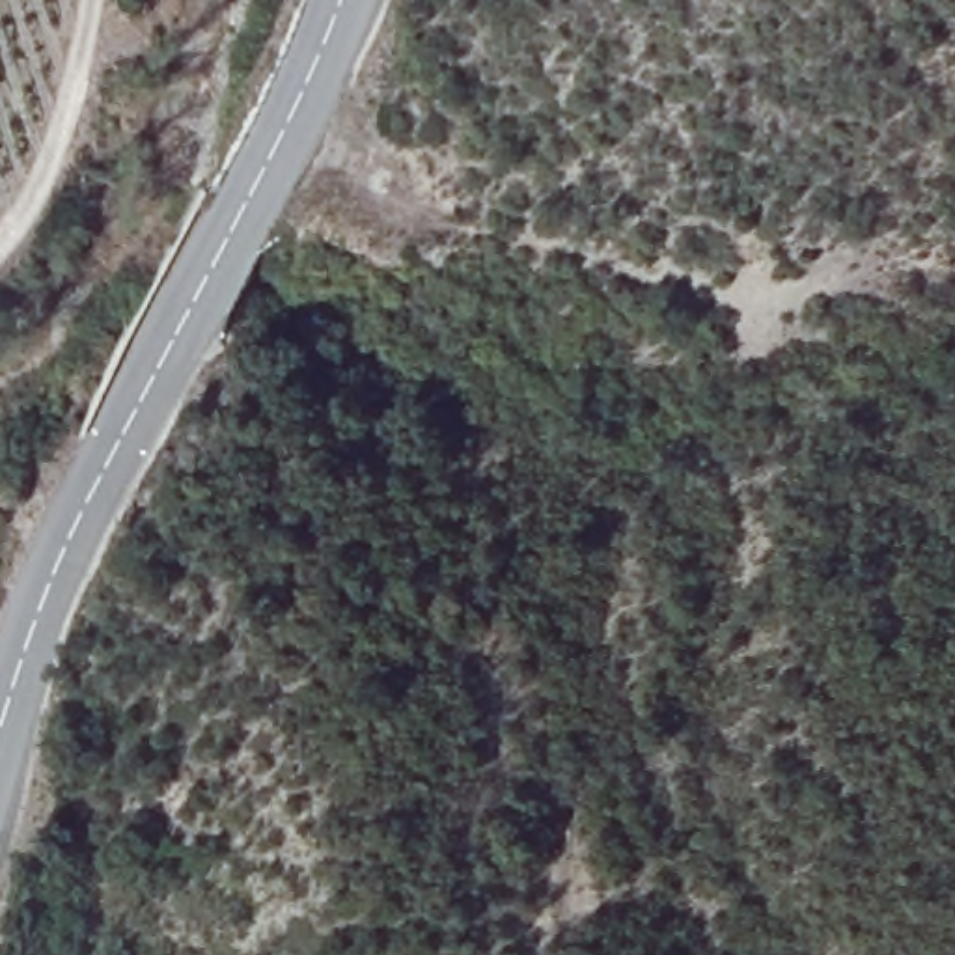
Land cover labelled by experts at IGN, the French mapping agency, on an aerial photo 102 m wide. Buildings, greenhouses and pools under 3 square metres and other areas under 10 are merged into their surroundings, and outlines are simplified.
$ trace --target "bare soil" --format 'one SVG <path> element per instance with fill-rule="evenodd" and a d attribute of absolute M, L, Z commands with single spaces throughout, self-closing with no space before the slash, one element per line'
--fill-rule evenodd
<path fill-rule="evenodd" d="M 209 112 L 190 116 L 183 123 L 201 142 L 198 164 L 190 172 L 190 194 L 205 198 L 205 190 L 224 183 L 231 160 L 224 157 L 213 153 L 213 142 L 231 63 L 216 56 L 213 75 L 201 78 L 201 97 L 209 101 Z"/>
<path fill-rule="evenodd" d="M 235 951 L 242 955 L 246 955 L 257 951 L 272 933 L 284 933 L 291 918 L 306 918 L 317 907 L 325 907 L 332 888 L 317 884 L 306 895 L 291 899 L 284 880 L 246 877 L 254 921 L 242 940 L 235 940 Z"/>
<path fill-rule="evenodd" d="M 556 925 L 578 921 L 597 910 L 589 843 L 567 832 L 563 854 L 548 865 L 548 880 L 567 884 L 567 895 L 563 903 L 548 903 L 537 914 L 537 955 L 541 955 L 556 936 Z"/>
<path fill-rule="evenodd" d="M 403 246 L 414 231 L 440 231 L 455 209 L 470 205 L 470 190 L 455 194 L 463 172 L 492 168 L 489 157 L 455 157 L 440 145 L 392 145 L 377 131 L 377 108 L 369 101 L 381 97 L 381 71 L 392 67 L 392 15 L 384 19 L 377 45 L 366 56 L 366 67 L 343 78 L 336 112 L 328 116 L 325 131 L 306 153 L 306 164 L 276 224 L 269 228 L 269 246 L 291 235 L 328 239 L 381 269 L 392 269 L 403 261 Z"/>
<path fill-rule="evenodd" d="M 567 250 L 586 257 L 586 269 L 604 261 L 616 272 L 634 276 L 642 284 L 660 284 L 675 276 L 690 280 L 694 287 L 709 284 L 709 272 L 698 265 L 660 257 L 657 265 L 638 265 L 627 261 L 612 242 L 541 235 L 537 213 L 526 209 L 522 231 L 511 246 L 533 250 L 537 272 L 545 272 L 552 250 Z"/>
<path fill-rule="evenodd" d="M 246 862 L 317 865 L 317 847 L 298 836 L 298 828 L 306 821 L 325 817 L 328 798 L 321 795 L 306 810 L 287 813 L 291 795 L 284 787 L 265 806 L 257 806 L 257 817 L 272 821 L 284 832 L 284 847 L 254 847 Z"/>
<path fill-rule="evenodd" d="M 735 242 L 742 254 L 742 272 L 731 287 L 713 295 L 720 306 L 739 310 L 739 358 L 761 358 L 791 339 L 828 339 L 824 325 L 806 325 L 802 306 L 813 295 L 858 291 L 884 298 L 895 276 L 903 272 L 925 272 L 929 280 L 955 276 L 955 265 L 944 257 L 944 246 L 910 246 L 907 235 L 880 231 L 865 242 L 843 242 L 836 254 L 817 257 L 810 272 L 798 280 L 772 280 L 768 242 L 754 231 L 742 231 Z"/>

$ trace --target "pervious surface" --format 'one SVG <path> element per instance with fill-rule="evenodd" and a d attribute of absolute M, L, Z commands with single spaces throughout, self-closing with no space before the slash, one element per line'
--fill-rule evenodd
<path fill-rule="evenodd" d="M 0 265 L 30 239 L 52 190 L 63 179 L 63 168 L 71 164 L 71 153 L 71 134 L 93 82 L 93 52 L 104 0 L 78 0 L 71 52 L 67 67 L 56 75 L 60 93 L 56 108 L 48 112 L 45 142 L 34 149 L 26 187 L 0 220 Z"/>

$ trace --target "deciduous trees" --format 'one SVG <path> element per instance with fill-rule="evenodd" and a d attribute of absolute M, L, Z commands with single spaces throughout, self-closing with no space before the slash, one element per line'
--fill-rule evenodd
<path fill-rule="evenodd" d="M 131 832 L 134 813 L 164 806 L 164 791 L 175 783 L 164 772 L 164 765 L 138 765 L 134 757 L 134 746 L 142 739 L 149 739 L 153 750 L 164 750 L 164 731 L 149 735 L 149 724 L 134 720 L 131 709 L 86 709 L 82 701 L 56 705 L 45 716 L 41 765 L 48 768 L 56 810 L 48 824 L 34 836 L 30 851 L 15 854 L 11 903 L 4 914 L 0 940 L 0 955 L 175 955 L 172 940 L 145 944 L 160 933 L 157 899 L 187 884 L 190 877 L 209 880 L 209 869 L 220 858 L 213 851 L 198 851 L 198 843 L 142 843 Z"/>
<path fill-rule="evenodd" d="M 310 522 L 336 504 L 336 481 L 351 481 L 358 470 L 366 470 L 369 492 L 381 492 L 388 485 L 388 463 L 418 466 L 422 478 L 436 478 L 440 444 L 422 429 L 422 381 L 384 369 L 377 354 L 362 354 L 354 343 L 351 313 L 339 313 L 332 302 L 287 306 L 284 313 L 276 313 L 265 325 L 265 351 L 231 354 L 224 347 L 224 351 L 231 362 L 216 381 L 242 392 L 239 425 L 257 425 L 257 444 L 216 444 L 201 466 L 209 470 L 209 481 L 201 485 L 201 511 L 179 511 L 179 526 L 172 526 L 172 533 L 149 541 L 153 556 L 183 563 L 183 586 L 194 586 L 198 601 L 213 593 L 213 582 L 228 574 L 228 567 L 235 567 L 246 578 L 246 586 L 298 582 L 306 563 L 298 552 L 313 552 L 317 533 Z"/>

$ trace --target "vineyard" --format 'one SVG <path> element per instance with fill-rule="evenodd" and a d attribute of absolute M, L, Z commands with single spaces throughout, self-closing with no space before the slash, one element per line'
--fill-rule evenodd
<path fill-rule="evenodd" d="M 52 325 L 30 351 L 11 343 L 0 354 L 0 388 L 45 366 L 63 347 L 67 325 Z"/>
<path fill-rule="evenodd" d="M 78 0 L 0 0 L 0 220 L 26 187 L 34 149 L 45 142 L 48 112 L 56 108 L 60 93 L 56 75 L 67 67 L 71 52 Z"/>
<path fill-rule="evenodd" d="M 26 500 L 19 492 L 0 492 L 0 608 L 7 597 L 7 571 L 22 548 L 15 515 Z"/>

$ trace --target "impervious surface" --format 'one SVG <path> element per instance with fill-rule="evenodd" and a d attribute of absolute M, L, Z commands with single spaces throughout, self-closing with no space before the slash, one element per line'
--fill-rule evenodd
<path fill-rule="evenodd" d="M 190 194 L 183 220 L 175 228 L 175 242 L 164 246 L 153 272 L 142 306 L 134 306 L 101 369 L 82 429 L 71 433 L 48 463 L 41 463 L 37 492 L 26 500 L 15 515 L 22 548 L 7 571 L 7 597 L 0 608 L 0 828 L 15 783 L 34 787 L 41 765 L 45 716 L 56 705 L 45 668 L 60 664 L 60 645 L 75 627 L 78 604 L 93 586 L 112 537 L 119 533 L 134 504 L 142 478 L 168 444 L 183 407 L 201 399 L 205 369 L 224 351 L 224 347 L 224 321 L 242 284 L 250 280 L 257 254 L 265 254 L 269 246 L 269 228 L 276 224 L 306 164 L 306 153 L 325 131 L 328 116 L 336 112 L 343 78 L 366 67 L 366 56 L 377 45 L 384 19 L 392 15 L 392 0 L 306 0 L 302 7 L 287 11 L 287 26 L 276 37 L 276 63 L 261 78 L 257 97 L 246 108 L 224 157 L 231 160 L 224 183 L 205 190 L 205 198 Z"/>

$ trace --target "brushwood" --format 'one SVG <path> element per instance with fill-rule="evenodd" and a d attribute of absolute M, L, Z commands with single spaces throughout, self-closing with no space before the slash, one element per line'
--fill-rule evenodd
<path fill-rule="evenodd" d="M 325 907 L 317 907 L 306 918 L 291 918 L 284 933 L 272 933 L 257 951 L 246 955 L 537 955 L 537 914 L 548 903 L 563 903 L 567 895 L 567 884 L 548 880 L 548 865 L 563 854 L 567 832 L 589 843 L 597 910 L 578 921 L 556 925 L 556 936 L 541 955 L 955 955 L 955 276 L 929 280 L 925 272 L 903 272 L 895 276 L 884 298 L 858 291 L 813 295 L 802 306 L 806 325 L 824 325 L 828 339 L 791 339 L 761 358 L 739 358 L 739 310 L 720 306 L 713 295 L 731 287 L 742 272 L 742 254 L 735 242 L 742 231 L 754 231 L 768 242 L 772 280 L 798 280 L 810 272 L 817 257 L 836 254 L 843 242 L 865 242 L 880 231 L 907 235 L 910 246 L 944 246 L 944 257 L 955 265 L 955 0 L 392 0 L 392 15 L 392 67 L 381 71 L 381 97 L 369 101 L 377 108 L 377 131 L 392 145 L 440 145 L 455 157 L 489 157 L 492 168 L 463 172 L 455 194 L 470 190 L 470 205 L 455 209 L 440 231 L 414 231 L 403 246 L 403 261 L 392 269 L 381 269 L 328 239 L 291 235 L 269 246 L 265 254 L 257 254 L 250 280 L 242 284 L 224 321 L 224 347 L 231 354 L 265 351 L 265 325 L 276 313 L 284 313 L 287 306 L 332 302 L 339 313 L 351 313 L 354 343 L 362 354 L 377 354 L 384 369 L 422 381 L 422 429 L 440 444 L 436 478 L 422 478 L 418 466 L 388 463 L 388 485 L 381 492 L 369 492 L 366 470 L 358 470 L 351 481 L 336 481 L 336 504 L 310 522 L 317 533 L 313 552 L 298 552 L 306 563 L 298 582 L 246 586 L 246 578 L 235 567 L 228 567 L 228 574 L 213 582 L 213 593 L 198 601 L 194 586 L 183 586 L 183 563 L 153 556 L 149 541 L 172 533 L 172 526 L 179 526 L 179 511 L 201 511 L 201 485 L 209 481 L 209 470 L 201 466 L 216 444 L 257 444 L 257 425 L 239 425 L 242 392 L 216 381 L 231 362 L 224 351 L 205 369 L 201 399 L 183 407 L 168 444 L 142 478 L 134 504 L 119 533 L 112 537 L 93 586 L 78 604 L 75 627 L 60 645 L 60 664 L 45 668 L 56 705 L 82 701 L 86 709 L 131 709 L 134 720 L 149 724 L 149 735 L 164 731 L 164 750 L 153 750 L 149 739 L 142 739 L 134 746 L 134 757 L 138 765 L 164 765 L 164 772 L 175 783 L 164 791 L 164 806 L 134 813 L 131 832 L 142 843 L 198 843 L 198 851 L 213 851 L 220 858 L 209 869 L 209 880 L 190 877 L 187 884 L 157 899 L 160 933 L 145 944 L 172 940 L 175 955 L 242 955 L 235 951 L 235 940 L 242 940 L 254 921 L 246 877 L 284 880 L 291 899 L 306 895 L 317 884 L 332 888 Z M 660 284 L 642 284 L 634 276 L 616 272 L 604 261 L 586 269 L 586 257 L 567 250 L 552 250 L 545 272 L 537 272 L 533 250 L 511 246 L 522 231 L 526 209 L 537 213 L 541 235 L 612 242 L 627 261 L 638 265 L 657 265 L 660 257 L 698 265 L 709 272 L 709 284 L 694 287 L 690 280 L 675 276 Z M 284 847 L 284 832 L 272 821 L 257 817 L 257 806 L 265 806 L 284 787 L 291 795 L 287 813 L 306 810 L 321 795 L 328 798 L 325 817 L 306 821 L 298 828 L 298 836 L 317 847 L 317 865 L 246 862 L 254 847 Z"/>
<path fill-rule="evenodd" d="M 123 261 L 119 272 L 108 272 L 93 257 L 97 239 L 108 228 L 101 183 L 116 164 L 112 157 L 90 157 L 82 145 L 71 153 L 71 164 L 63 168 L 63 179 L 52 190 L 30 239 L 0 265 L 0 354 L 11 343 L 30 351 L 52 325 L 67 325 L 63 347 L 45 366 L 0 388 L 0 492 L 19 492 L 26 500 L 37 492 L 41 463 L 48 463 L 71 433 L 82 429 L 101 369 L 134 306 L 142 306 L 153 272 L 149 265 Z"/>

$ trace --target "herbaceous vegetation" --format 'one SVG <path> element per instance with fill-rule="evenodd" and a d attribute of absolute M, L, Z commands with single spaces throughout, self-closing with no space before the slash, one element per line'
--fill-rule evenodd
<path fill-rule="evenodd" d="M 183 123 L 190 116 L 209 112 L 209 101 L 201 97 L 201 78 L 213 75 L 216 56 L 231 63 L 213 142 L 213 153 L 224 157 L 246 108 L 257 97 L 261 78 L 276 63 L 276 37 L 287 26 L 287 11 L 302 7 L 306 0 L 104 0 L 93 52 L 93 82 L 71 134 L 71 153 L 82 145 L 90 157 L 112 157 L 116 164 L 101 183 L 108 228 L 97 239 L 93 257 L 108 272 L 119 272 L 123 261 L 149 265 L 153 272 L 164 246 L 175 242 L 175 228 L 183 220 L 190 194 L 190 172 L 198 164 L 201 142 Z"/>
<path fill-rule="evenodd" d="M 15 783 L 0 828 L 0 940 L 4 914 L 11 903 L 15 854 L 30 851 L 34 836 L 48 824 L 56 810 L 48 768 L 41 765 L 34 787 Z"/>

